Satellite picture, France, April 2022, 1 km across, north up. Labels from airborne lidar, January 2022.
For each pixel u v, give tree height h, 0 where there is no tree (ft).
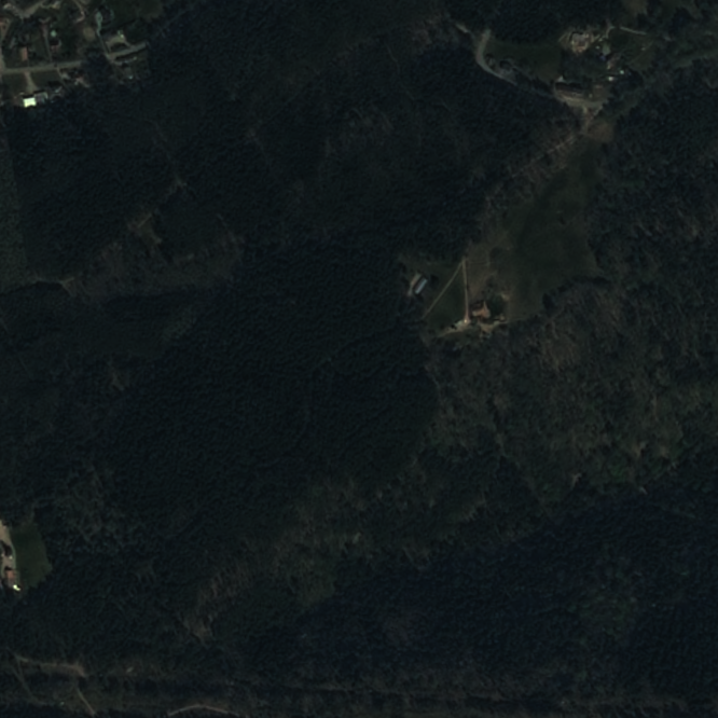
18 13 0
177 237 54
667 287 62
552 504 107
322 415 93
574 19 73
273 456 74
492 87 67
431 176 63
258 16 60
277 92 49
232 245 53
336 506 64
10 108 45
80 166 49
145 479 77
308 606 50
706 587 100
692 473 88
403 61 51
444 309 0
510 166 49
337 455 94
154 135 51
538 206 0
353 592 98
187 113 52
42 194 55
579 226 0
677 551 104
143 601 58
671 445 51
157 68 54
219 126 63
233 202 70
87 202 64
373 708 44
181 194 51
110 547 71
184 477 81
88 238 73
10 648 40
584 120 62
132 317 34
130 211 72
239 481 70
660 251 72
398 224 85
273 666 60
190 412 74
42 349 42
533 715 70
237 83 52
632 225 67
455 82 69
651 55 0
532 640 95
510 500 88
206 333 70
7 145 52
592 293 56
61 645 61
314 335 86
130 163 73
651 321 85
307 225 46
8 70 0
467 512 68
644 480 78
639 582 92
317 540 68
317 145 42
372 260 91
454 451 58
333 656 71
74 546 69
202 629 51
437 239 77
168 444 86
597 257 25
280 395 77
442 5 42
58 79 0
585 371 85
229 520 58
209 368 92
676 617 98
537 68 18
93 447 64
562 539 98
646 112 62
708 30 48
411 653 71
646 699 20
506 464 63
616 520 110
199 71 54
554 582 97
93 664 42
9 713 45
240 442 74
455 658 81
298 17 50
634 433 52
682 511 97
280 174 48
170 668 37
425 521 92
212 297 58
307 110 46
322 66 57
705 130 52
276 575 53
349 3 42
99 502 53
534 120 55
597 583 117
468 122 55
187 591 58
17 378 39
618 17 55
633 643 72
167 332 51
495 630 109
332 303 88
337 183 40
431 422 68
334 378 65
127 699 19
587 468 70
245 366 66
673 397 56
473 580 109
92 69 57
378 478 83
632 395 50
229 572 51
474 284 0
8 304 46
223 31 62
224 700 49
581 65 47
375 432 101
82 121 38
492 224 61
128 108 42
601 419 54
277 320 70
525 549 90
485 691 31
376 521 116
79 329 42
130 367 62
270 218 74
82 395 65
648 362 46
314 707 46
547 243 0
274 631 109
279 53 49
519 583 95
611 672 75
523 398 58
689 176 91
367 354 103
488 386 68
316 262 93
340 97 37
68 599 77
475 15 62
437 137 49
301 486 90
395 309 79
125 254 52
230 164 74
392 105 45
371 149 43
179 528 59
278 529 57
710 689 82
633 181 67
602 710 22
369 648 30
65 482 70
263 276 78
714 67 56
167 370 91
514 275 0
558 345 54
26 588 0
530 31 77
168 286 44
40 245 49
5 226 40
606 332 63
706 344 114
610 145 0
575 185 0
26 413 43
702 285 102
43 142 29
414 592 97
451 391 79
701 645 107
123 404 52
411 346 91
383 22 51
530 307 0
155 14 0
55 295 51
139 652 78
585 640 83
